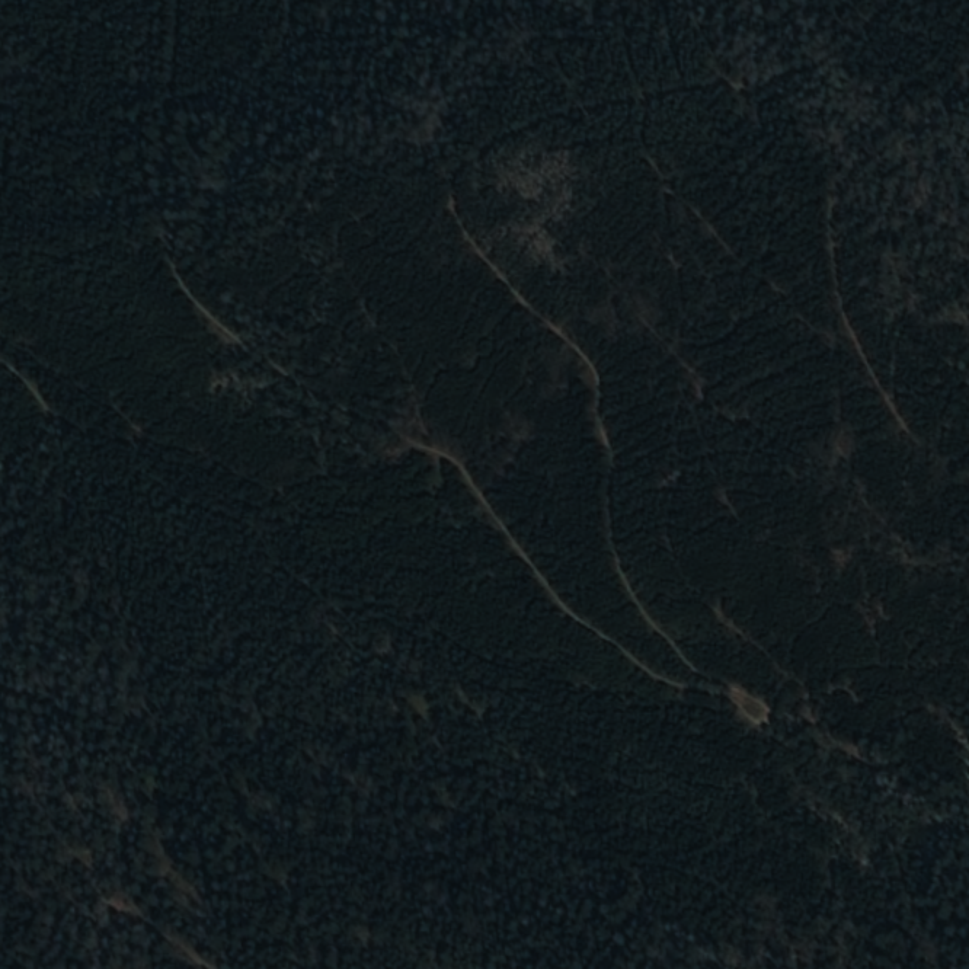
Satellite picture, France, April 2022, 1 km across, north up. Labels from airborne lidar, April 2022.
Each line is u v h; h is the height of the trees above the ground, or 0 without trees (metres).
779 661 15
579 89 21
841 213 11
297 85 18
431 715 7
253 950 24
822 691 12
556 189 25
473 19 26
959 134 25
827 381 18
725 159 23
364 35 26
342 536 19
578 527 17
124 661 25
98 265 18
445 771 20
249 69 21
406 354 13
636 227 21
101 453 21
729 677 14
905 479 12
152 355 12
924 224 8
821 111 23
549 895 28
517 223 21
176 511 28
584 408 15
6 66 29
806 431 17
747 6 23
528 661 12
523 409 12
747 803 17
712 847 17
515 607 16
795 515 14
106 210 8
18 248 24
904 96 18
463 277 11
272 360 22
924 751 16
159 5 27
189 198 27
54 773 18
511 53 30
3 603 23
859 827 7
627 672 11
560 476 16
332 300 10
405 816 22
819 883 20
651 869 15
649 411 15
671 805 15
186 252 42
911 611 15
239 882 25
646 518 23
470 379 13
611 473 11
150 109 27
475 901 23
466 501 8
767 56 15
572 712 28
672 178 17
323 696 19
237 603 26
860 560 11
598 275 19
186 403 14
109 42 19
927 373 9
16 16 22
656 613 14
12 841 28
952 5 23
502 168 19
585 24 19
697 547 19
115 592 23
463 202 17
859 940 12
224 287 14
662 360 17
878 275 15
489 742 23
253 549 29
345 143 38
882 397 14
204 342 6
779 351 18
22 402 23
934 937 25
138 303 19
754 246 23
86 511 31
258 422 8
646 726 14
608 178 25
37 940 29
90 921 13
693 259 23
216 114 22
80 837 34
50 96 30
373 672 25
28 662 26
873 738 11
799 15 23
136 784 32
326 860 25
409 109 22
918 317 12
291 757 25
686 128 24
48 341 9
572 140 24
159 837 14
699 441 15
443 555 12
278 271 15
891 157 26
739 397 20
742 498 19
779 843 12
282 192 12
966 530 11
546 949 23
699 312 19
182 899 20
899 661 17
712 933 9
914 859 11
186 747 15
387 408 15
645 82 27
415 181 21
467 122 20
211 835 39
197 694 25
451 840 16
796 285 18
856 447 15
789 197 22
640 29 26
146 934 26
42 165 26
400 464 9
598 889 18
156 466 25
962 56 22
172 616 21
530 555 16
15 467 20
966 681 15
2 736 18
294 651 29
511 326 15
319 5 12
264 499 17
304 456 18
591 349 17
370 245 15
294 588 26
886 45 19
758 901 17
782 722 14
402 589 23
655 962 26
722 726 17
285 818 19
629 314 22
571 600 14
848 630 13
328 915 23
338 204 15
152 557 26
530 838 12
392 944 17
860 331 14
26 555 22
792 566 11
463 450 19
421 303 16
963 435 12
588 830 20
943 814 21
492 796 9
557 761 23
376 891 27
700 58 25
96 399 14
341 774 26
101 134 19
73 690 22
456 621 16
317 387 13
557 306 20
